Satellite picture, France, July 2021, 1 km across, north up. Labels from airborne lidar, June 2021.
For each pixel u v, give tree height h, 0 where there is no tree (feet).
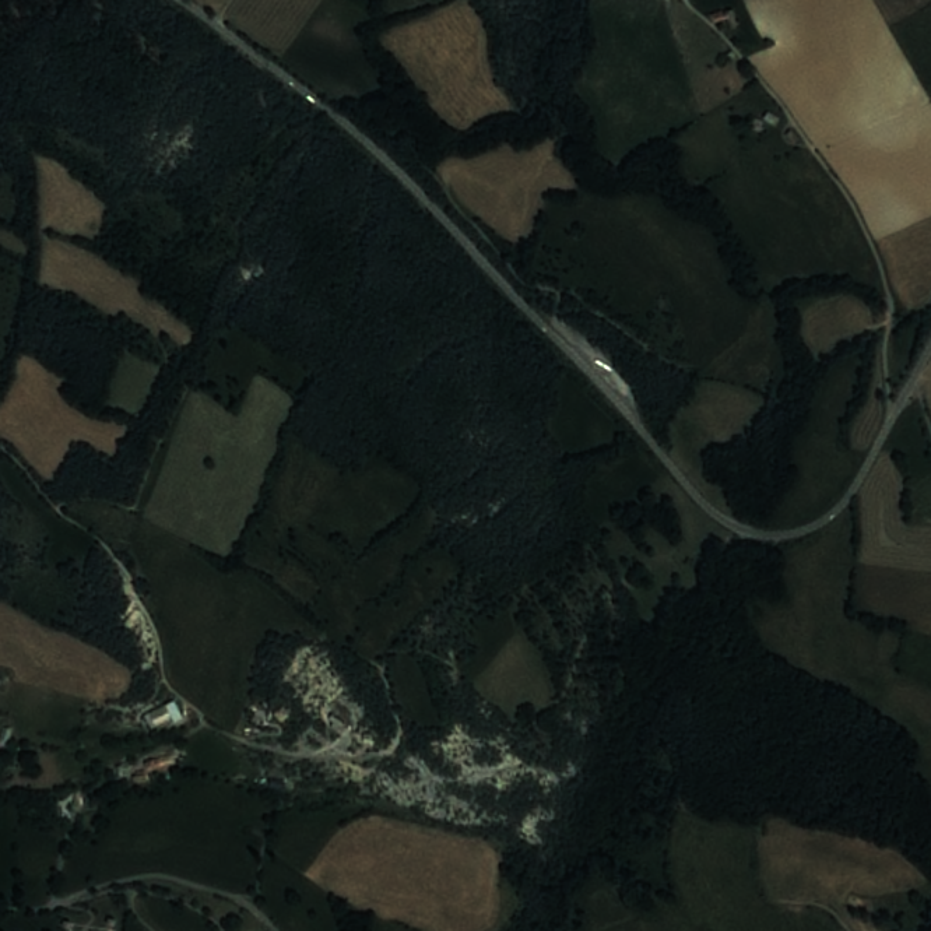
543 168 0
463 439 19
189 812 0
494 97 0
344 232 49
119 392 0
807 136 0
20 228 46
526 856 36
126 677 0
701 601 64
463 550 41
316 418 42
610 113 0
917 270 0
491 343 30
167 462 0
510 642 0
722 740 75
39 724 0
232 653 0
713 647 84
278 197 29
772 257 0
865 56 0
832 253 0
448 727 27
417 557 22
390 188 41
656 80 0
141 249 20
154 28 48
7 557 20
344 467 31
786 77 0
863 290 30
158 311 0
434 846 0
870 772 98
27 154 26
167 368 39
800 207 0
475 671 0
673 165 61
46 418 0
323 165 28
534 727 19
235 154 41
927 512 0
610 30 0
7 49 36
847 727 103
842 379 0
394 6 0
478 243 28
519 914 24
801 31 0
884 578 0
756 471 72
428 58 0
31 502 0
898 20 0
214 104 32
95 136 31
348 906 54
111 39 57
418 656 28
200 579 0
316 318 45
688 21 0
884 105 0
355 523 0
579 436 0
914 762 86
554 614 44
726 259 41
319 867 0
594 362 0
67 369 49
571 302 46
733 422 0
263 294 31
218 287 33
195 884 0
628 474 0
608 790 74
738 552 62
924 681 0
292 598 19
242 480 0
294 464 0
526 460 34
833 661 0
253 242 24
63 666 0
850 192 0
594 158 64
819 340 0
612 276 0
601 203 0
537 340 40
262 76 25
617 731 50
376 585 0
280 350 47
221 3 0
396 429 49
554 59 63
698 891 0
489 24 34
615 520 31
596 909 0
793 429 79
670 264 0
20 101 33
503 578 49
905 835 52
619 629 54
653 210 0
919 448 0
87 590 24
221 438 0
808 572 0
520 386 40
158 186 25
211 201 27
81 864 0
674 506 50
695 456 0
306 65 0
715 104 0
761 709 70
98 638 22
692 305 0
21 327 52
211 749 0
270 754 23
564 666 45
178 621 0
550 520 23
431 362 37
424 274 49
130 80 55
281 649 25
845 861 0
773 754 84
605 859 78
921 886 0
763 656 72
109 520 0
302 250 39
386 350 48
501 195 0
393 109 72
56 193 0
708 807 42
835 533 0
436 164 35
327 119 43
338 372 61
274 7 0
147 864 0
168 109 19
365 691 21
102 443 0
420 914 0
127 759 19
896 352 0
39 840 0
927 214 0
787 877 0
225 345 60
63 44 46
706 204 62
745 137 23
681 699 35
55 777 0
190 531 0
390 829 0
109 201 28
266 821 42
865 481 0
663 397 48
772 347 0
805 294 51
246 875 0
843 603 0
